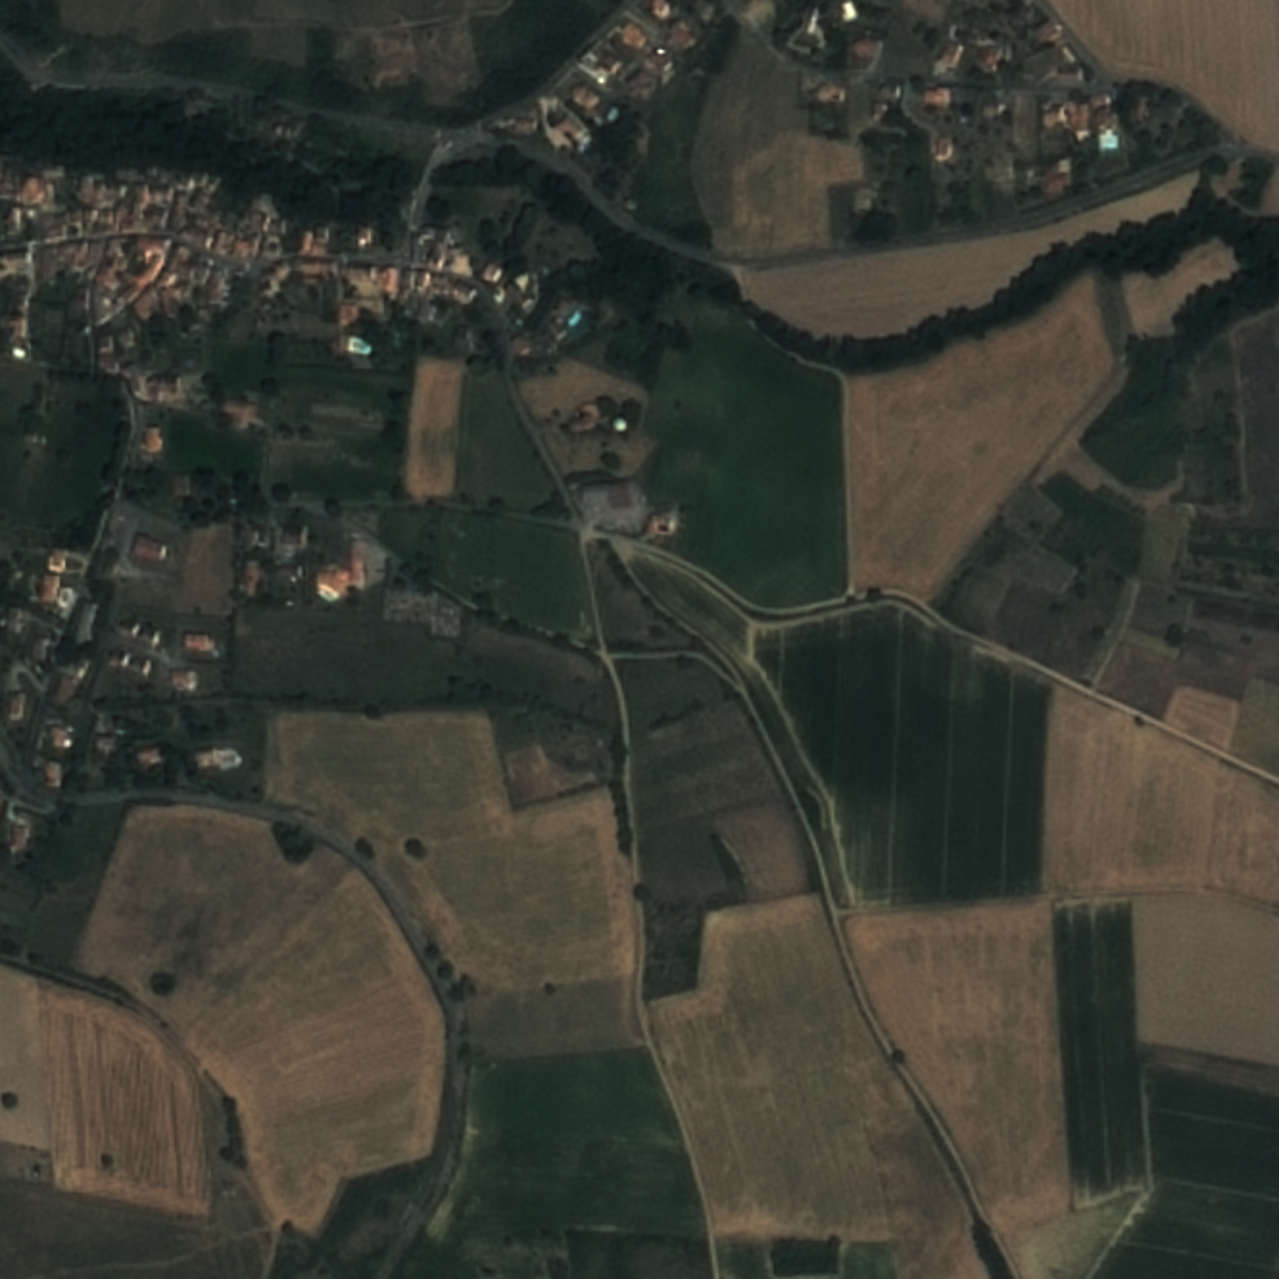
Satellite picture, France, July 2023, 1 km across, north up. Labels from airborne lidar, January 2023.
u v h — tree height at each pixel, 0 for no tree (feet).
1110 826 0
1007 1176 0
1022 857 0
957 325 38
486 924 0
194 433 0
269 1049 0
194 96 43
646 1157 0
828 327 0
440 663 0
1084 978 0
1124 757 0
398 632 0
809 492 0
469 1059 33
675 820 0
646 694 0
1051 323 0
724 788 0
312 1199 0
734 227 0
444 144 0
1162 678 0
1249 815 0
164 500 0
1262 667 0
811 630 0
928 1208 0
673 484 0
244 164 70
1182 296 0
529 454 0
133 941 0
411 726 0
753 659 0
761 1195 0
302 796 0
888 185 23
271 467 0
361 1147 0
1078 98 22
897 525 0
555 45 36
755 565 0
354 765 0
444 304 19
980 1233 26
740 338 0
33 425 42
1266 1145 0
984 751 0
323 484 0
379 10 0
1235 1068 0
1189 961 0
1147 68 0
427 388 0
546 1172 0
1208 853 0
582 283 35
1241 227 59
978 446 0
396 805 0
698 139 0
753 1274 0
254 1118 0
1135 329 0
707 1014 0
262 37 0
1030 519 0
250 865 0
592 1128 0
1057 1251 0
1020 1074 0
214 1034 0
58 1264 0
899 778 0
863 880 0
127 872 0
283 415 0
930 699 0
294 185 59
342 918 0
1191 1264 0
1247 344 0
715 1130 0
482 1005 0
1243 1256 0
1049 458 0
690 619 0
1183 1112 0
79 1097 0
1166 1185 0
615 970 0
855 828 0
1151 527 0
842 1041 0
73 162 53
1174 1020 0
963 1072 0
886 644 0
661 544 0
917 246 0
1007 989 0
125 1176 0
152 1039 0
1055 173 0
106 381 32
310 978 0
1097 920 0
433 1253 0
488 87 28
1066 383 0
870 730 0
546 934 0
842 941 0
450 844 0
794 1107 0
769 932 0
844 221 0
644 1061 0
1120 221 0
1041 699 0
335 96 26
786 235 0
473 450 0
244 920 0
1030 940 0
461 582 0
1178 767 0
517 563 0
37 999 0
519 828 0
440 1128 0
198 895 0
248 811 0
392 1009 0
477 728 0
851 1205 0
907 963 0
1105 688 0
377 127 0
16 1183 0
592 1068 0
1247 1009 0
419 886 0
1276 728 0
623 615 0
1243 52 0
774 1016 0
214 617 0
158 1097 0
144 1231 0
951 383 0
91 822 0
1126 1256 0
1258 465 0
